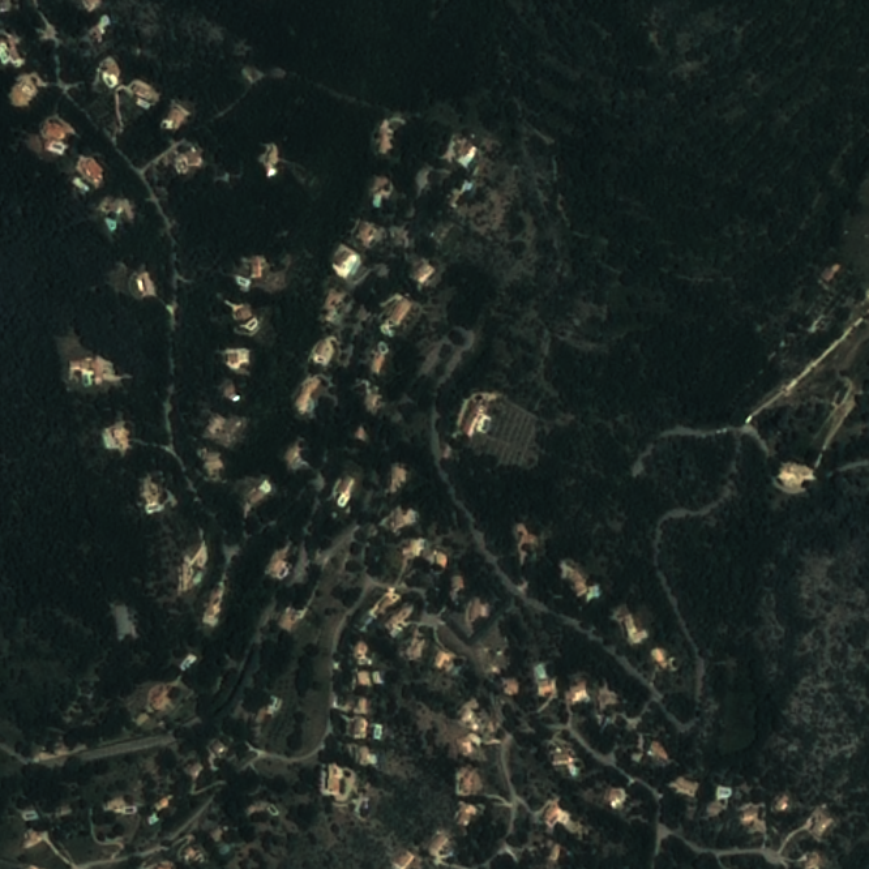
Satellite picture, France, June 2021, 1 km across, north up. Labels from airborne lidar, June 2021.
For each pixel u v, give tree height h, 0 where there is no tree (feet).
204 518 40
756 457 50
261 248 33
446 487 45
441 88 50
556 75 30
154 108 29
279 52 42
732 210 37
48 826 41
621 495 41
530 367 25
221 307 30
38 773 56
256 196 37
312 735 0
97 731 53
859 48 30
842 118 24
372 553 33
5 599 39
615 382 23
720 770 23
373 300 56
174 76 32
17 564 37
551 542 34
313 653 44
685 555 27
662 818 30
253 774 41
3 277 56
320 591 35
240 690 42
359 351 32
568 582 36
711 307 24
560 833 34
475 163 0
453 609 34
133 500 30
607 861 29
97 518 44
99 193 31
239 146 39
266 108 39
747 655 30
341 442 41
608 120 25
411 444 35
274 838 35
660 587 21
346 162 54
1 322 29
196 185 32
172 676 67
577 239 28
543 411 24
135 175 34
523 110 25
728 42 35
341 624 0
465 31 59
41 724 43
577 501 21
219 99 33
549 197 21
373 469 30
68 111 43
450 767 34
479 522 30
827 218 42
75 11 27
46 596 28
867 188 0
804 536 31
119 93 25
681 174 34
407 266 45
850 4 27
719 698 30
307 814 31
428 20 39
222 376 39
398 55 42
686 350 33
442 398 41
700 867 40
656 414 44
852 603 20
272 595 35
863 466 20
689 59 30
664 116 31
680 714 32
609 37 23
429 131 46
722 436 22
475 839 18
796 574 30
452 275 29
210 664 58
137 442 19
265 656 47
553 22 22
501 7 27
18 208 42
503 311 29
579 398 27
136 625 31
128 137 41
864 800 40
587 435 22
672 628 35
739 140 37
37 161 31
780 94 18
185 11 23
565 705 30
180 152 33
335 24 40
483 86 34
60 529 25
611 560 23
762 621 30
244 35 33
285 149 41
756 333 27
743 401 46
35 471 21
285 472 45
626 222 29
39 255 34
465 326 39
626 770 33
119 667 49
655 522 28
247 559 48
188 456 43
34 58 22
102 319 45
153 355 45
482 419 0
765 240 40
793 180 33
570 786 44
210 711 36
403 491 22
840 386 33
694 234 28
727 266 32
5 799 52
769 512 40
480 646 0
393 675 40
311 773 40
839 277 31
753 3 36
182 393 31
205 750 34
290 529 44
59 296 43
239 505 40
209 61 27
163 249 41
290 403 36
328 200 64
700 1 30
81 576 29
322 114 46
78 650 33
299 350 52
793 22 28
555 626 28
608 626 21
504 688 0
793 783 22
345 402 49
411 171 44
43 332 38
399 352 42
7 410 30
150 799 27
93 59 36
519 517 34
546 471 31
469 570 34
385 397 31
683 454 42
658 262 39
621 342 36
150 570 28
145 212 38
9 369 34
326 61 41
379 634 24
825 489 41
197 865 28
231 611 40
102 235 30
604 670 27
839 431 0
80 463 30
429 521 18
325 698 0
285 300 46
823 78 25
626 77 29
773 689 20
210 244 27
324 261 37
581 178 28
